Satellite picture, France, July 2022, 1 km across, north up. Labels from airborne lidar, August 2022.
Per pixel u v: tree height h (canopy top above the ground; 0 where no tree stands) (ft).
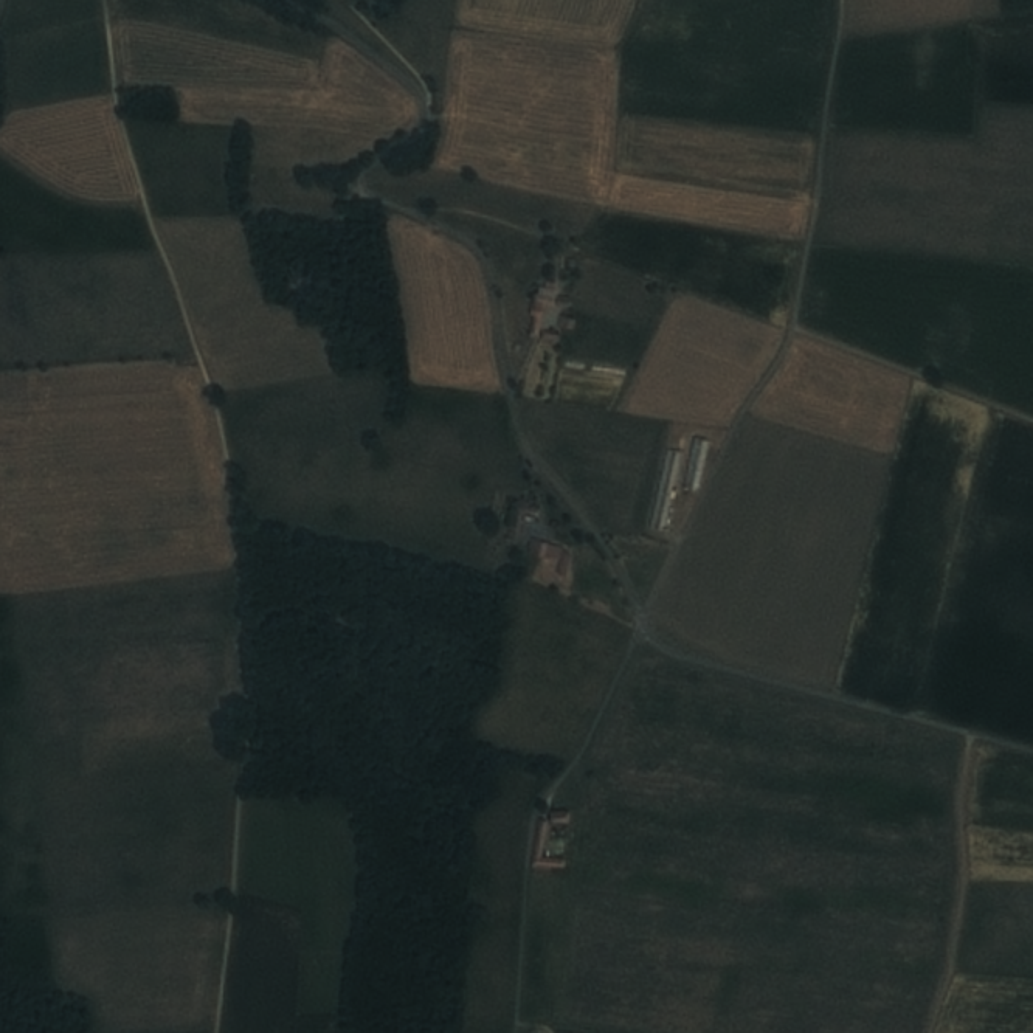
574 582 0
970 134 0
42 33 0
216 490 0
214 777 0
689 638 0
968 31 0
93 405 0
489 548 0
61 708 0
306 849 0
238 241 0
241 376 0
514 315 0
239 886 0
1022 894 0
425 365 0
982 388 0
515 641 0
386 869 46
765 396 0
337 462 0
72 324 0
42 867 0
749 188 0
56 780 0
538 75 0
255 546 58
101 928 0
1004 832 0
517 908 0
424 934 55
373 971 42
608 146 0
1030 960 0
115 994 0
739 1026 0
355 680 74
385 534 0
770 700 0
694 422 0
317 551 81
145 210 0
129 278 0
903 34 0
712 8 0
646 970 0
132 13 0
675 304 0
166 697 0
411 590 76
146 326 0
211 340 0
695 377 0
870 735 0
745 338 0
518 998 0
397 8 59
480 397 0
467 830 58
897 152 0
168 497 0
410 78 0
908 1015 0
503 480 0
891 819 0
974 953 0
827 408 0
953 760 0
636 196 0
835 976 0
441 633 76
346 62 0
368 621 70
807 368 0
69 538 0
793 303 0
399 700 90
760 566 0
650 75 0
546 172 0
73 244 0
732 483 0
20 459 0
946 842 0
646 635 0
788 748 0
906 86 0
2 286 0
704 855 0
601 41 0
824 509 0
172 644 0
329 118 0
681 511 0
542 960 0
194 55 0
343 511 0
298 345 0
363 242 43
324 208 0
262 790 48
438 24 0
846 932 0
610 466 0
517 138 0
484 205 0
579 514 0
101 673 0
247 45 0
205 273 0
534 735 0
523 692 0
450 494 0
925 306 0
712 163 0
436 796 49
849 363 0
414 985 43
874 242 0
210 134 0
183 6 0
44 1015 49
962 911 0
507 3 0
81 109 0
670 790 0
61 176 0
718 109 0
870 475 0
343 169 44
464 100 0
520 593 0
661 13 0
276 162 0
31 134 0
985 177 0
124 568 0
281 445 0
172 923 0
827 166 0
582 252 0
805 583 0
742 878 0
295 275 40
